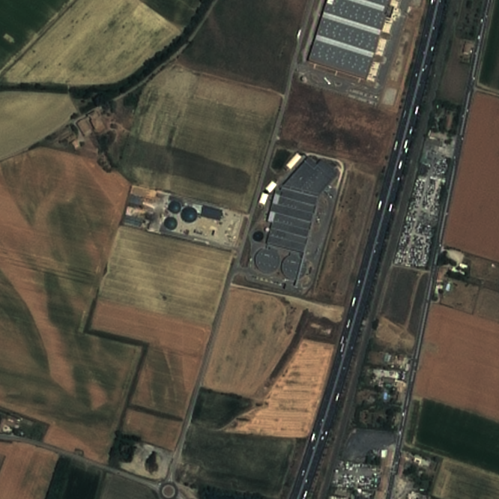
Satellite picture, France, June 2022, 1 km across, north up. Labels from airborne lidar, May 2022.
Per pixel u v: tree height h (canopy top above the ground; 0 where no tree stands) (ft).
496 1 0
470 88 0
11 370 0
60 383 0
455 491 0
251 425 0
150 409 0
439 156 0
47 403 0
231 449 0
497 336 0
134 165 0
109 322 0
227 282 0
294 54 0
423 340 0
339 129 0
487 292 0
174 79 0
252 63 0
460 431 0
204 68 0
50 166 0
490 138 0
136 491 0
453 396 0
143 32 0
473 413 0
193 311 0
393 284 0
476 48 0
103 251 0
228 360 0
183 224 0
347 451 0
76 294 0
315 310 0
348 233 0
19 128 0
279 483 0
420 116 20
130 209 0
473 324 0
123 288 0
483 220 0
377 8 0
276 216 0
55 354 0
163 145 0
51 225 0
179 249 0
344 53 0
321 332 0
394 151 0
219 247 0
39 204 0
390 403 26
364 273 0
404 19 0
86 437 0
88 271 0
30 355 0
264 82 0
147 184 0
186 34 36
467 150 0
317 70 0
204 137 0
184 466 0
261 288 0
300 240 0
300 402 0
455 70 0
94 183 0
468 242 0
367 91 0
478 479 0
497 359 0
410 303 0
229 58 0
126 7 0
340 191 0
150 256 0
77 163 0
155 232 0
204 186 0
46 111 0
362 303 0
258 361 0
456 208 0
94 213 0
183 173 0
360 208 0
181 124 0
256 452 0
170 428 0
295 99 0
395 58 0
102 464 0
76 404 0
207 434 0
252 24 0
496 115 0
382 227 0
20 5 0
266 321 0
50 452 0
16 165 0
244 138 0
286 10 0
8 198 0
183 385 0
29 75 0
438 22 0
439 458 37
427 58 0
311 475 0
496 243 0
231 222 0
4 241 0
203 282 0
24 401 0
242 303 0
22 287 0
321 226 0
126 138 0
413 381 0
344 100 0
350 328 0
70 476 0
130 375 0
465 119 0
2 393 0
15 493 0
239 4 0
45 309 0
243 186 0
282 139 0
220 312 0
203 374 0
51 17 0
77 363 0
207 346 0
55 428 0
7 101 0
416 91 0
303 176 0
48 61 0
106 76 0
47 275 0
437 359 0
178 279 0
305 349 0
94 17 0
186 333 0
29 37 0
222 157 0
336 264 0
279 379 0
